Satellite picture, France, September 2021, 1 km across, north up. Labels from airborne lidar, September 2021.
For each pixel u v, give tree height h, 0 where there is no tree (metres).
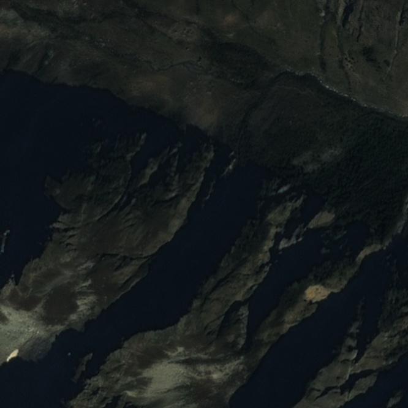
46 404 0
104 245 0
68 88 0
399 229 0
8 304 0
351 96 0
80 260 0
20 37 0
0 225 0
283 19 0
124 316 0
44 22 0
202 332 0
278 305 8
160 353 0
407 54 0
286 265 0
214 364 0
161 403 0
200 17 0
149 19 0
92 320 0
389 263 12
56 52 0
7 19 0
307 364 13
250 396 0
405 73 0
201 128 0
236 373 0
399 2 0
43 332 0
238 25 0
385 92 0
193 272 6
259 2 0
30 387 0
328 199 8
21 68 0
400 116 0
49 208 0
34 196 0
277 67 0
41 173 0
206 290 0
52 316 0
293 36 0
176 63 0
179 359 0
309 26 0
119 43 0
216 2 0
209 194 11
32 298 0
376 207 8
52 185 0
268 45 0
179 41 0
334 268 7
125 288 0
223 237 9
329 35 0
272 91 0
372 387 0
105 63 0
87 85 0
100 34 0
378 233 12
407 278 7
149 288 6
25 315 0
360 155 10
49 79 0
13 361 0
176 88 0
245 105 0
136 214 0
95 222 0
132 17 0
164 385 0
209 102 0
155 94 0
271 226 14
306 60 0
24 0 0
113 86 0
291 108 0
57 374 0
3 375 0
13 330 0
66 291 0
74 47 0
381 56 0
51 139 7
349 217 14
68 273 0
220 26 0
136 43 0
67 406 0
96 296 0
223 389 0
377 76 0
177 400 0
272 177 7
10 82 0
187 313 0
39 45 0
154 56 0
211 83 0
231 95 0
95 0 0
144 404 0
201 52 0
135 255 0
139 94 0
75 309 0
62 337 0
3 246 0
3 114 0
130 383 0
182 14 0
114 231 0
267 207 10
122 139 6
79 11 0
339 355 0
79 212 0
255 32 0
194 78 0
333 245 9
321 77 0
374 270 7
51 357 0
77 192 0
